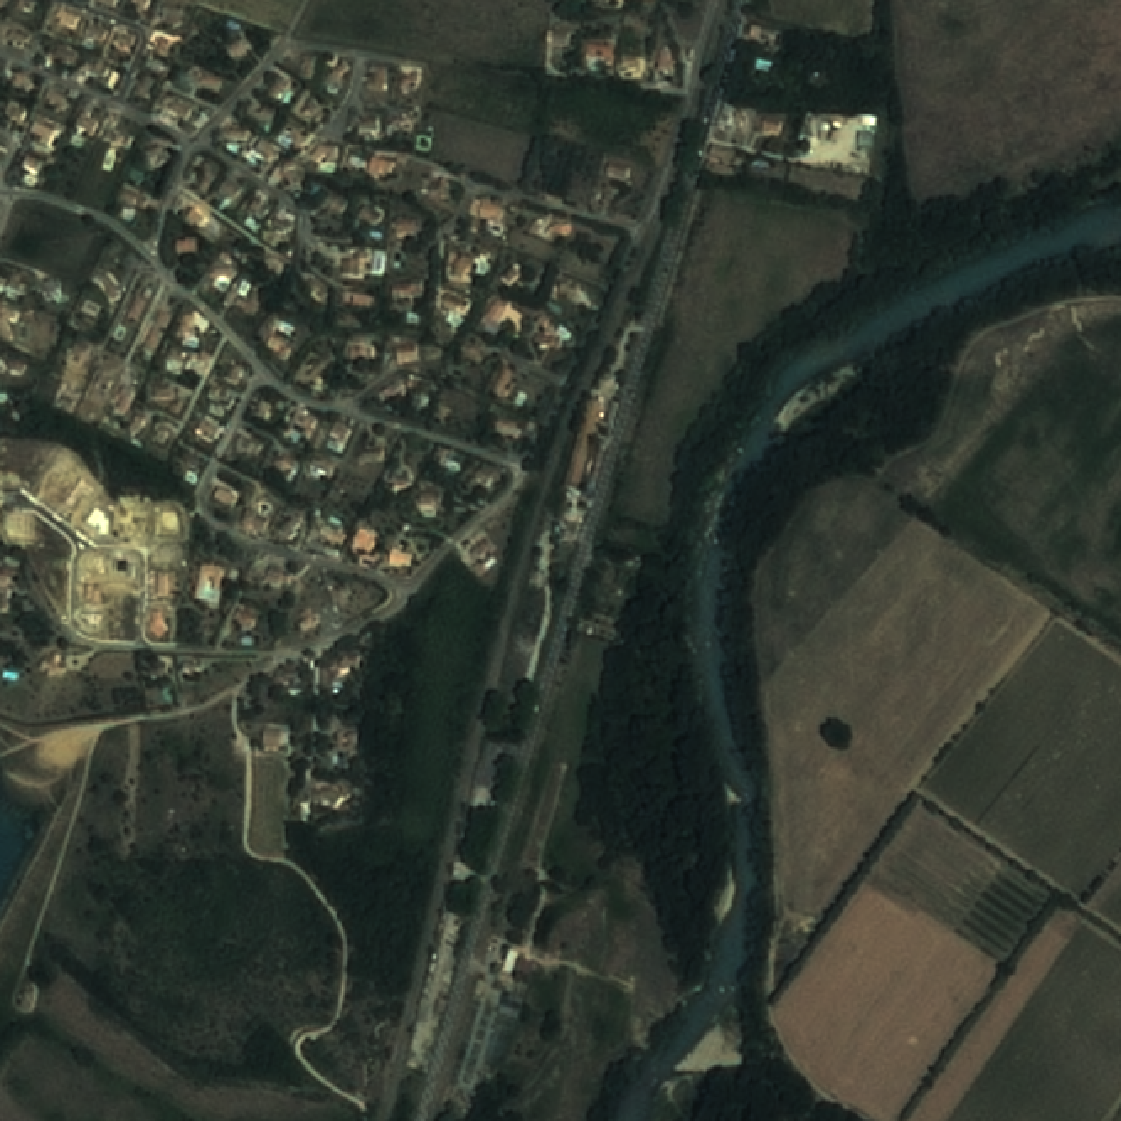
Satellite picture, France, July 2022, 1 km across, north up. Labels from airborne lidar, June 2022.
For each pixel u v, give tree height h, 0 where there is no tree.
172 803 0
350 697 10
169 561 0
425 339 8
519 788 22
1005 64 0
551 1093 0
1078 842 0
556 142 13
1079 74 0
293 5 0
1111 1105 0
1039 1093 0
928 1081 8
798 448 25
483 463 7
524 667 0
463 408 0
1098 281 8
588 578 8
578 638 9
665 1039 23
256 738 6
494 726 19
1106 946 0
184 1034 6
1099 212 0
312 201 11
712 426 12
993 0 0
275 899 5
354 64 0
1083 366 0
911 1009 0
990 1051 0
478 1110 12
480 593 6
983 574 0
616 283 10
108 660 0
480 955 0
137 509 0
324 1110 0
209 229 0
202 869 8
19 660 11
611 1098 13
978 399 0
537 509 0
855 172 0
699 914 19
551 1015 11
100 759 0
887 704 0
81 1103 0
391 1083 0
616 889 0
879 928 0
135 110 0
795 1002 0
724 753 0
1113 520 0
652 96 10
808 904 0
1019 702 0
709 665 0
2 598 0
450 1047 0
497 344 9
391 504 6
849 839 0
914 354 25
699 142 23
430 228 10
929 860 0
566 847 0
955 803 0
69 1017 0
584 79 12
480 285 12
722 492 0
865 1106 0
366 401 8
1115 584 0
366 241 7
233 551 8
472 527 0
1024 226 25
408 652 18
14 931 0
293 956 6
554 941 0
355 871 14
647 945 0
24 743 0
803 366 0
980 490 0
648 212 0
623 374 11
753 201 0
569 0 7
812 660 0
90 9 0
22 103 7
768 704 0
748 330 0
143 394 6
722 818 25
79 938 0
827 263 0
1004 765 0
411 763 5
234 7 0
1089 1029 0
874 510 0
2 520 0
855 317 26
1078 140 0
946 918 0
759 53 8
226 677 0
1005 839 0
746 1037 11
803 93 8
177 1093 0
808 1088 8
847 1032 0
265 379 0
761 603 0
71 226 0
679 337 0
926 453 0
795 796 0
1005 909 0
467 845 17
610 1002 0
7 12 8
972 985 0
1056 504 0
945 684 0
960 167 0
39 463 0
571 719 0
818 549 0
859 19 0
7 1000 0
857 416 12
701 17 0
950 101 0
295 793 10
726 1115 30
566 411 10
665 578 20
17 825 0
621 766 24
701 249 0
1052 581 0
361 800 7
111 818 0
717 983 0
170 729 0
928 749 0
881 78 11
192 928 6
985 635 0
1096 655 0
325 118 6
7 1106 0
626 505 0
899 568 0
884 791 0
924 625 0
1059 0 0
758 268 0
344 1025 6
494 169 0
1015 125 0
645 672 6
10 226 0
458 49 0
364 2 0
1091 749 0
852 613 0
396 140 7
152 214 5
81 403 0
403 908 13
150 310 0
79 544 0
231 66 11
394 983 11
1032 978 0
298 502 7
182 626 8
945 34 0
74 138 0
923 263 7
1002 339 0
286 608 11
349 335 11
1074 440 0
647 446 0
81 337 10
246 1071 9
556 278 11
